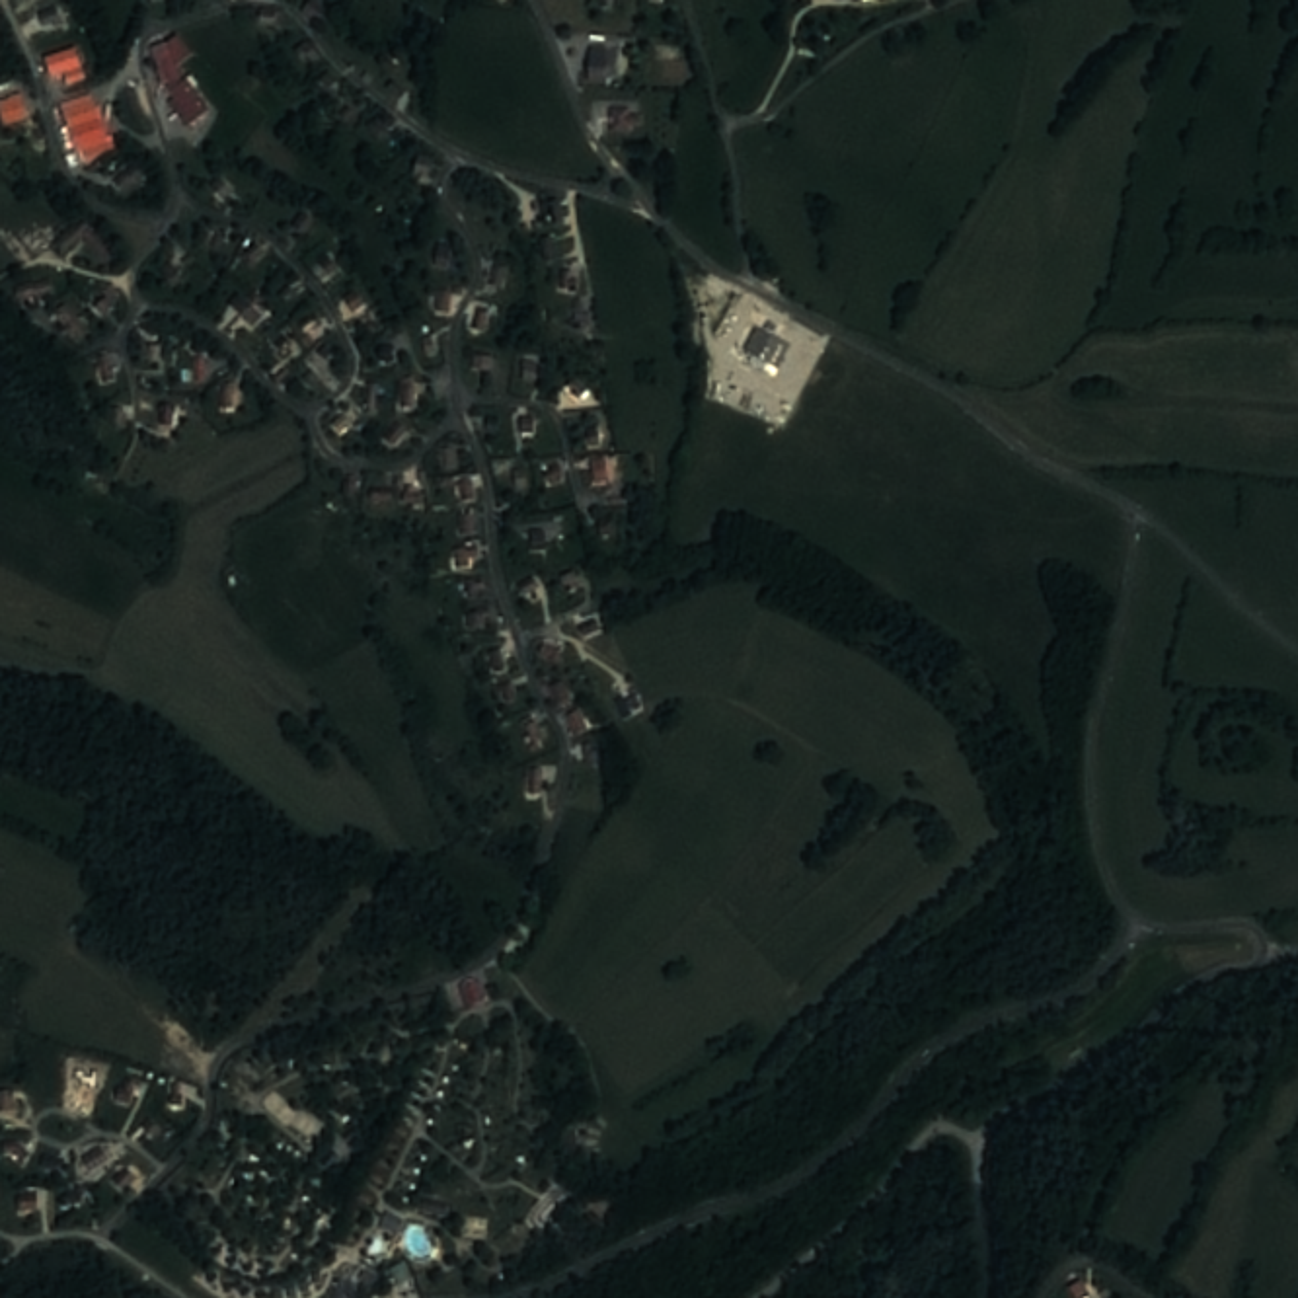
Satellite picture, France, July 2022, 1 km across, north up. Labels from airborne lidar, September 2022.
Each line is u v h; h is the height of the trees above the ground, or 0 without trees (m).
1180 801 17
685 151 0
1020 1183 19
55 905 0
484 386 8
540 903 12
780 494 0
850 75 0
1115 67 15
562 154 0
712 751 0
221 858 21
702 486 0
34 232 0
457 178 10
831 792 15
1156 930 0
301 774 0
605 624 7
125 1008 0
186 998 12
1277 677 0
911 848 0
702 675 0
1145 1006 0
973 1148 0
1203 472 7
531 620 0
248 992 19
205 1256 15
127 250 7
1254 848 0
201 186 10
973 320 0
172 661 0
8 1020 0
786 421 0
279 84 6
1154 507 0
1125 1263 14
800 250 0
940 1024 16
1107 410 0
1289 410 0
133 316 0
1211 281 0
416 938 5
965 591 0
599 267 0
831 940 0
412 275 8
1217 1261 0
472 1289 10
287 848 17
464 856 0
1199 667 0
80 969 0
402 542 11
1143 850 0
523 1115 8
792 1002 0
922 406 0
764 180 0
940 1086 23
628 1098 0
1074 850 8
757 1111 13
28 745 15
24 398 17
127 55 14
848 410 0
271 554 0
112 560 0
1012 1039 16
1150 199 0
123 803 17
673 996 0
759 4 0
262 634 0
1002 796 7
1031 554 0
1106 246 0
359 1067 14
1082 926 14
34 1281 6
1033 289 0
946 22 0
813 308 10
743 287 0
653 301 0
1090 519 0
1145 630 0
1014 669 0
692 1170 10
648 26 16
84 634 0
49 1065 0
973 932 10
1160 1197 0
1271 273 0
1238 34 0
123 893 8
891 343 0
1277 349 0
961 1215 27
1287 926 14
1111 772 0
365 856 17
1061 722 8
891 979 26
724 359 0
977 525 0
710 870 0
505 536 12
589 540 7
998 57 0
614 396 0
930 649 21
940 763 0
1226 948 0
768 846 0
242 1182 8
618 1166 7
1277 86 7
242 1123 12
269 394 10
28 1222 6
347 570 0
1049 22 0
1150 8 13
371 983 9
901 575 0
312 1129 0
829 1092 11
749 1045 14
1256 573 0
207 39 0
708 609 0
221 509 0
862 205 0
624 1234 15
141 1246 0
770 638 0
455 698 0
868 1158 18
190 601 0
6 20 7
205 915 16
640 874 0
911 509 0
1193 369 0
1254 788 0
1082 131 0
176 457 0
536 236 5
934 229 0
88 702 20
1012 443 0
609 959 0
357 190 6
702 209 0
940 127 0
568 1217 20
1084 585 13
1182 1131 0
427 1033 6
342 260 6
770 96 0
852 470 0
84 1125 0
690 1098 0
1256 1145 0
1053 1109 22
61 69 0
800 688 0
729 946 0
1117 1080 19
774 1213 13
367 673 0
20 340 6
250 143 0
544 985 0
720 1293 17
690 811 0
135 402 0
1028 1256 14
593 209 0
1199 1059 9
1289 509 0
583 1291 21
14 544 0
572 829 0
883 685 0
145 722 18
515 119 0
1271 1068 10
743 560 15
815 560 15
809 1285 21
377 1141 14
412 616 0
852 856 0
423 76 19
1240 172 0
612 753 13
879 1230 28
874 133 0
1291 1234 0
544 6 0
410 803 0
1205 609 0
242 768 0
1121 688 0
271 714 0
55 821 0
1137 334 5
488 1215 0
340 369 9
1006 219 0
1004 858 22
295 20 0
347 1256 0
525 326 18
